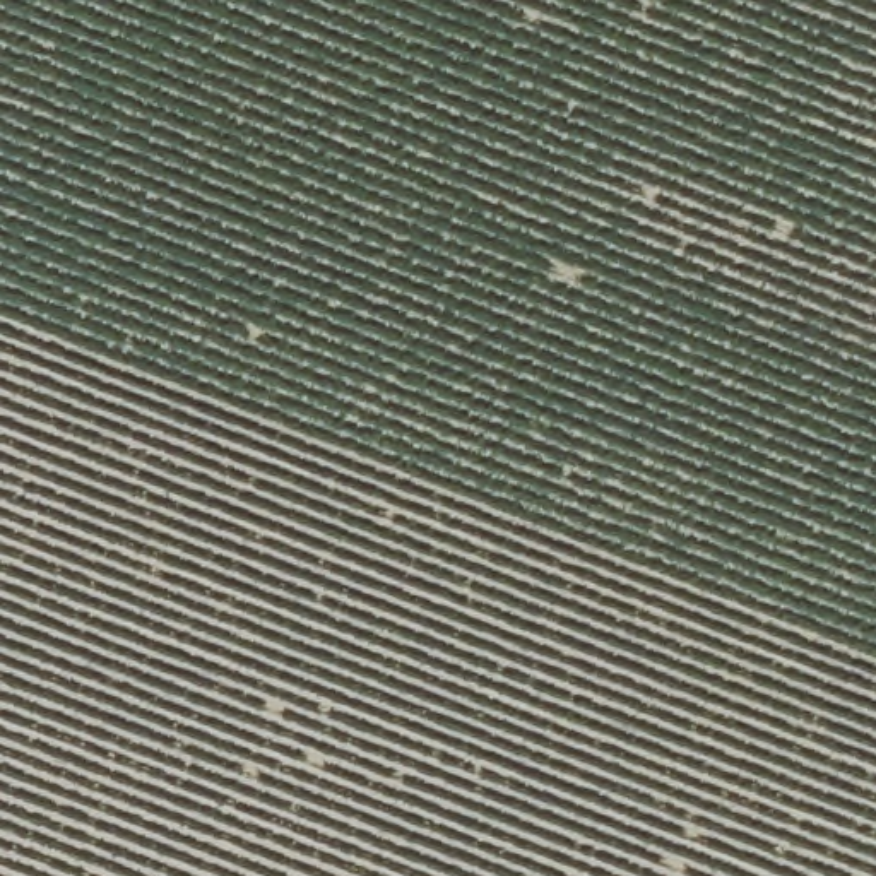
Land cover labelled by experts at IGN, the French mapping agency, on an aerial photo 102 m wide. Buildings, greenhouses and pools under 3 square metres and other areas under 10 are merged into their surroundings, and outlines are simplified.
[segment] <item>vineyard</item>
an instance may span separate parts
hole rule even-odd
[[[0,876],[876,876],[876,0],[0,0]]]

